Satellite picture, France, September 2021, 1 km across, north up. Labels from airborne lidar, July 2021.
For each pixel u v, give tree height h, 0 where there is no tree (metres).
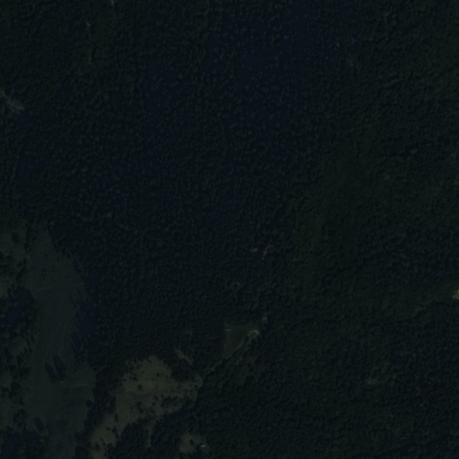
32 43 16
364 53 32
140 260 27
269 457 28
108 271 21
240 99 35
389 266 36
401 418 21
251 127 22
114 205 22
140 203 26
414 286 27
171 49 32
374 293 27
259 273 26
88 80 37
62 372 19
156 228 27
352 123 21
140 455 21
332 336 21
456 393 26
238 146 30
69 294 0
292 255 23
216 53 25
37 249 0
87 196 28
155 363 0
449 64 25
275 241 10
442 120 28
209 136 40
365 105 26
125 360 13
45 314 0
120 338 20
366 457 30
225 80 30
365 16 25
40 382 0
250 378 7
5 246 0
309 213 30
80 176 20
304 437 22
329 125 17
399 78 33
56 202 24
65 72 24
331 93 27
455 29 26
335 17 30
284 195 25
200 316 25
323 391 23
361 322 19
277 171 29
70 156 33
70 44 24
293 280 26
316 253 25
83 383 0
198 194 23
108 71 32
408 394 25
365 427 25
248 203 35
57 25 21
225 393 18
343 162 27
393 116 35
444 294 16
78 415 0
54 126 27
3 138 27
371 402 19
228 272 24
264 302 26
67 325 0
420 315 17
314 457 25
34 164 26
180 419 22
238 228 29
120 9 24
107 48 31
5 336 15
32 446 20
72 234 25
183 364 16
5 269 5
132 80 38
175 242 28
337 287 27
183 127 31
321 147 23
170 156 38
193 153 27
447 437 19
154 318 26
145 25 27
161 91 29
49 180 27
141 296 27
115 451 16
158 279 20
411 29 22
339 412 26
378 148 33
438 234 33
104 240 13
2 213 29
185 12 22
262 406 20
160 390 0
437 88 29
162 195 24
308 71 28
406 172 26
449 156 27
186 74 35
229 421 24
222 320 26
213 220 30
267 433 22
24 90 21
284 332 26
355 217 27
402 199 25
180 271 21
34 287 0
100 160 32
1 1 27
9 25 29
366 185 23
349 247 28
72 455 0
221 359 18
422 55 28
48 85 27
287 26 28
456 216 22
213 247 20
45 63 28
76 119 22
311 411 23
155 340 21
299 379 26
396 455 33
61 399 0
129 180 31
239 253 31
